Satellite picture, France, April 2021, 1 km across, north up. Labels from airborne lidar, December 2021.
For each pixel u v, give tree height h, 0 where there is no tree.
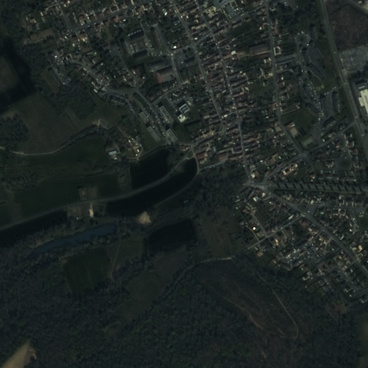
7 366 0
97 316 27
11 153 11
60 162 0
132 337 19
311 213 0
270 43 0
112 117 0
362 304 10
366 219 0
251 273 29
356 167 0
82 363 18
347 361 9
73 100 13
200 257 8
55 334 22
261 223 0
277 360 19
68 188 0
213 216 9
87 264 0
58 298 27
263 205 12
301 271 0
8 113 0
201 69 0
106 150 9
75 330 22
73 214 0
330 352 28
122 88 6
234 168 13
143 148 8
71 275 0
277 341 20
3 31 0
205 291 20
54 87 0
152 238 0
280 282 26
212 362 16
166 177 0
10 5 14
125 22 8
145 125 0
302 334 6
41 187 0
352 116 0
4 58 0
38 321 22
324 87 0
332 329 25
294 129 0
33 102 0
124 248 0
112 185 0
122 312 0
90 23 0
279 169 0
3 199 0
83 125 0
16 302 24
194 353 15
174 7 0
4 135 9
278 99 0
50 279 28
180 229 0
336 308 26
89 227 0
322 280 0
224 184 24
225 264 10
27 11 14
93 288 0
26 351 0
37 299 24
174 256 0
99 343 11
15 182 16
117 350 20
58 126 0
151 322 10
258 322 0
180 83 0
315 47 0
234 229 0
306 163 6
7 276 11
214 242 0
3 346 25
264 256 0
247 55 0
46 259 14
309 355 25
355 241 0
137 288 0
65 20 0
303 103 14
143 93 7
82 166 0
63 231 22
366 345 0
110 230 0
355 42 6
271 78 0
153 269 15
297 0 0
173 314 21
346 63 0
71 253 26
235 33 0
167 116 0
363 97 0
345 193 0
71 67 15
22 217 0
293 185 0
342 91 0
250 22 0
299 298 20
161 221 10
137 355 17
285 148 10
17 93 0
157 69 0
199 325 8
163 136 11
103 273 0
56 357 25
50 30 0
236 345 20
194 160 0
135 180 0
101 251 0
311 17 20
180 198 0
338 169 0
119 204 0
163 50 0
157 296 0
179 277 16
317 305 24
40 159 0
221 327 16
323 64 0
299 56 0
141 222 0
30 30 0
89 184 0
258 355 20
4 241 0
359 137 0
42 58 21
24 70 0
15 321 25
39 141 0
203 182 16
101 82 0
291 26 10
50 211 0
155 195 0
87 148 0
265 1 0
